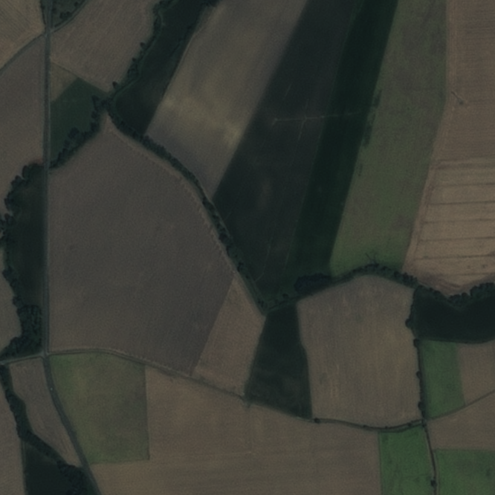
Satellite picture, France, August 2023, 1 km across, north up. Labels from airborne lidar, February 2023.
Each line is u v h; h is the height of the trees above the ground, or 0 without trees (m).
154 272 0
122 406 0
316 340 0
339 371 0
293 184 0
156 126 0
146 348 0
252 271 0
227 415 0
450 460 0
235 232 0
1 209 0
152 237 0
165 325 0
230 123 0
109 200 0
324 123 0
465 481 0
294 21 0
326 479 0
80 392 0
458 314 0
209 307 0
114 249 0
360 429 0
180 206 0
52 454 31
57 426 0
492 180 0
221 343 0
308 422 0
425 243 0
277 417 0
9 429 0
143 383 0
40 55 0
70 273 0
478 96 0
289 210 0
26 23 0
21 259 0
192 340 0
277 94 0
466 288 0
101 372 0
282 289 0
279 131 0
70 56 0
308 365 0
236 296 0
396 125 0
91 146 0
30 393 0
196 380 0
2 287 0
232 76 0
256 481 0
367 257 0
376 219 0
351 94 0
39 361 0
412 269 0
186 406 0
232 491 0
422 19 0
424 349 0
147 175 0
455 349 0
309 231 0
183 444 0
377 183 0
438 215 0
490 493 0
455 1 0
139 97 0
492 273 0
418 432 0
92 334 0
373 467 0
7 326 0
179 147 0
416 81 0
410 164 0
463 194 0
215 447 0
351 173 0
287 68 0
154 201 0
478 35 0
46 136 0
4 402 0
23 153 0
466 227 0
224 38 0
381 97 0
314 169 0
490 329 0
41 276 0
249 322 0
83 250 0
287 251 0
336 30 0
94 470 0
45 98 0
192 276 0
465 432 0
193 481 0
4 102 0
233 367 0
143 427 0
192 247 0
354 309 0
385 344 0
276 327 0
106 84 0
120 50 0
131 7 0
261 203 0
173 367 0
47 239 0
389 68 0
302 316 0
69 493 0
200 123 0
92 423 0
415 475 0
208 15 0
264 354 0
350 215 0
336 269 0
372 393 0
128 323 0
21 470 0
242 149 0
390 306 0
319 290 36
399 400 0
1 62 0
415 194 0
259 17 0
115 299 0
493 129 0
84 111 0
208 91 0
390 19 0
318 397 0
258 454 0
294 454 0
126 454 0
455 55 0
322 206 0
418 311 0
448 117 0
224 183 0
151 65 0
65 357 0
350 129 0
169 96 0
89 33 0
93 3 0
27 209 0
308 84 0
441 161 0
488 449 0
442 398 0
